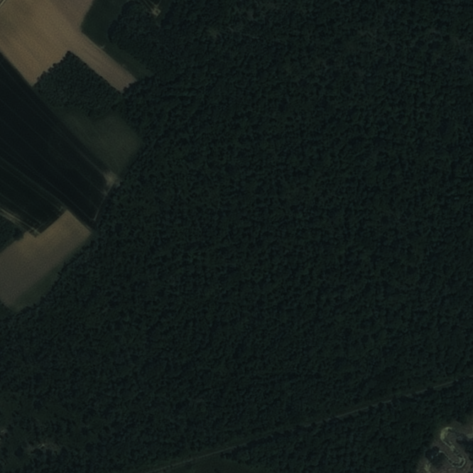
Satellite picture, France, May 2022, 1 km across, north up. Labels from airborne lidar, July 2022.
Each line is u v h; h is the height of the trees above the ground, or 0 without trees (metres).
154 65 26
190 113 19
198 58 32
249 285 18
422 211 9
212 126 24
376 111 17
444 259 24
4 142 0
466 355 18
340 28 7
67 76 17
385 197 10
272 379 18
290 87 17
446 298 20
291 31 22
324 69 24
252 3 8
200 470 0
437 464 35
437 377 29
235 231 25
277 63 27
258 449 24
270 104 17
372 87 30
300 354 19
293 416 29
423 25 25
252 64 24
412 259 31
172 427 11
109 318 6
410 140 17
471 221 24
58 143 0
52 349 26
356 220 13
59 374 25
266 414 22
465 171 14
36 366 36
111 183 0
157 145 6
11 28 0
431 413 15
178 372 26
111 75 0
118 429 22
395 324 25
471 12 25
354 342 17
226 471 0
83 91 21
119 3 0
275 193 27
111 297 19
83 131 0
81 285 8
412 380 9
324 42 22
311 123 7
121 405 21
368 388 23
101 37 0
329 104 26
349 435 29
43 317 24
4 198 0
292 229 19
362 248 18
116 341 9
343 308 26
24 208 0
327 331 24
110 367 26
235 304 6
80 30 0
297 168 17
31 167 0
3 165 0
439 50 27
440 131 11
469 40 17
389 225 27
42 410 25
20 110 0
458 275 21
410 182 23
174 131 19
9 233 8
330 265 6
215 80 19
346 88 8
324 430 19
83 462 22
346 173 18
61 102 16
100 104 13
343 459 14
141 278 6
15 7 0
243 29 14
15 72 0
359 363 21
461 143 16
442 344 22
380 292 28
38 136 0
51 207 0
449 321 24
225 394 19
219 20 23
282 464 24
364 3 26
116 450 24
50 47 0
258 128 28
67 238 0
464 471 0
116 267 7
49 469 9
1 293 0
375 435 9
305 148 19
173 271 21
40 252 0
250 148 20
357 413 9
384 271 25
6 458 22
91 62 0
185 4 10
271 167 15
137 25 29
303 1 27
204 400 17
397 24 27
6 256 0
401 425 19
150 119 25
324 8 23
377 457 16
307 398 23
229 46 20
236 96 17
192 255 20
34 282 0
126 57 0
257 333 19
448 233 19
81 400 26
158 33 30
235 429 8
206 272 20
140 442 23
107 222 18
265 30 22
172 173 11
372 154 23
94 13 0
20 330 17
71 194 0
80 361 28
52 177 0
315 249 23
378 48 10
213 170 25
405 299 19
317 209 21
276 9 6
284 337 24
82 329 8
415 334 27
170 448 25
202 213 27
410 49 6
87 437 26
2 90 0
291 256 20
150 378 25
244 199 25
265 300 17
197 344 19
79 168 0
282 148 9
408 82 20
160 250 24
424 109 26
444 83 17
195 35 18
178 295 14
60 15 0
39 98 0
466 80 30
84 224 0
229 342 18
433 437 21
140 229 16
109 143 0
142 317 18
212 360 19
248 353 26
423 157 22
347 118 20
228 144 14
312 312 13
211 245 25
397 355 20
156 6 0
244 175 15
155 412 6
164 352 18
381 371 21
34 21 0
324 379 18
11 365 22
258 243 13
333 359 7
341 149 7
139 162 13
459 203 25
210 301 7
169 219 20
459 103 19
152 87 22
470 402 23
